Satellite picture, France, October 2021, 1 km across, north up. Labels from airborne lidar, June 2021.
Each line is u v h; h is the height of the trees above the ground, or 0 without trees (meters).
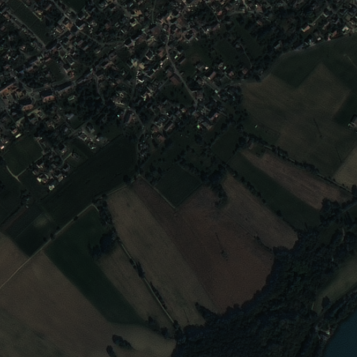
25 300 0
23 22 0
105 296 0
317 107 0
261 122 0
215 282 0
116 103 0
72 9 0
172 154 0
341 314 23
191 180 0
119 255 0
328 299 0
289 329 15
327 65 0
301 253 24
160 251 0
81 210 0
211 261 0
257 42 13
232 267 0
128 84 0
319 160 0
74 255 0
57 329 0
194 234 0
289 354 23
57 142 7
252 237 0
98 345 0
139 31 0
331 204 13
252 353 18
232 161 0
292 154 0
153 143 7
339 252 17
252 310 21
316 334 17
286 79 0
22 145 0
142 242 0
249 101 0
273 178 0
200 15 6
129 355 0
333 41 0
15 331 0
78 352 0
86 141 0
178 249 0
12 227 0
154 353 0
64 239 0
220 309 0
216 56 0
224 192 7
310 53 0
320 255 12
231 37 9
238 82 7
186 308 0
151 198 0
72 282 0
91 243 0
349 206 9
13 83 0
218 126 0
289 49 12
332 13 6
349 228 32
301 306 12
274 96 0
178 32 0
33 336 0
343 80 0
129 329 0
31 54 0
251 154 0
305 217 0
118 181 0
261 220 0
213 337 23
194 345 24
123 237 0
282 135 0
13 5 0
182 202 0
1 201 0
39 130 9
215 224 0
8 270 0
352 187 0
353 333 0
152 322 11
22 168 0
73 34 6
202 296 0
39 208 0
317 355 13
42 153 0
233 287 0
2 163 14
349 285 0
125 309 0
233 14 0
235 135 0
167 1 0
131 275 0
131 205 0
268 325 20
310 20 15
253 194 13
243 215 0
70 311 0
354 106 0
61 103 0
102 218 13
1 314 0
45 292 0
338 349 0
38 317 0
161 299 20
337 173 0
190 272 0
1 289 0
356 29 0
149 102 19
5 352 0
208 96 0
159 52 0
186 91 0
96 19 5
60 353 0
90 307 0
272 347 30
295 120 0
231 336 23
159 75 0
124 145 0
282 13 17
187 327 0
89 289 0
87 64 7
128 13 0
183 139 0
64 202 0
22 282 0
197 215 0
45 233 0
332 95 0
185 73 6
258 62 8
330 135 0
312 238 20
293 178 0
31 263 0
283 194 0
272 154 0
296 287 27
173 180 0
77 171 0
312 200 0
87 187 0
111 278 0
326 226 20
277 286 20
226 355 17
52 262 0
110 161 0
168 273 0
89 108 21
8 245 0
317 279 21
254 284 0
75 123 0
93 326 0
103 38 6
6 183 0
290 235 0
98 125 9
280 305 24
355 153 0
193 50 0
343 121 0
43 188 0
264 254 0
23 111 0
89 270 0
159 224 0
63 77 0
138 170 13
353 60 0
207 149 10
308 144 0
